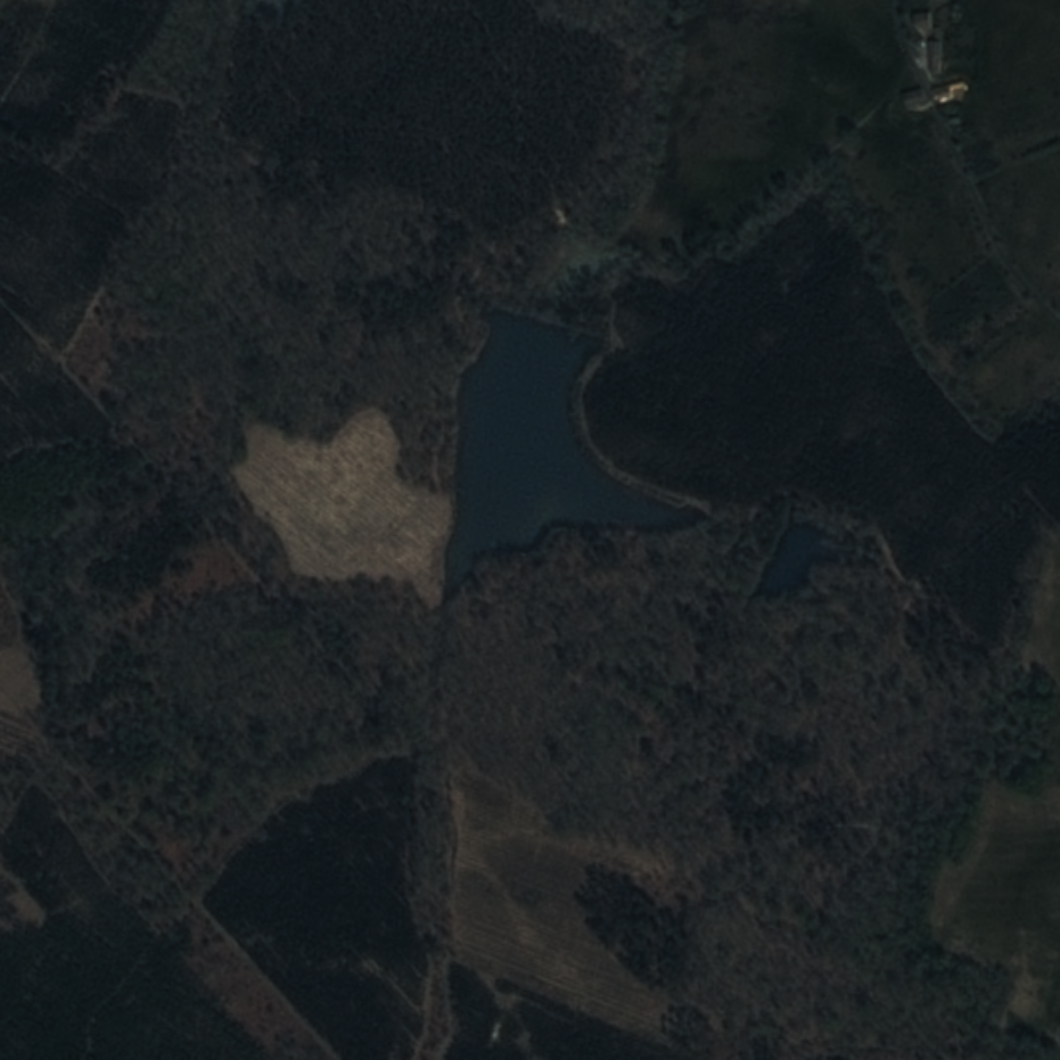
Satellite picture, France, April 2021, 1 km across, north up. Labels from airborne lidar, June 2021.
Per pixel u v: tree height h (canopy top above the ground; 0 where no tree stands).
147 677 20
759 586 18
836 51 0
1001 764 6
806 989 11
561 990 0
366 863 6
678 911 7
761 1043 12
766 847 13
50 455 10
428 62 16
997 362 0
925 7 0
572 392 6
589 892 10
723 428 7
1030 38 0
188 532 11
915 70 0
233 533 14
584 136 19
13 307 9
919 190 0
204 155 18
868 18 0
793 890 18
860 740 9
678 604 13
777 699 11
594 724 19
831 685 11
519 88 18
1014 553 14
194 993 6
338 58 15
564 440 0
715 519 6
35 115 8
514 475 0
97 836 16
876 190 0
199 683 20
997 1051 14
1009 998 15
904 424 8
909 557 8
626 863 0
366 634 16
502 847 0
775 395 10
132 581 12
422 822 16
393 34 16
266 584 11
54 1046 10
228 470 17
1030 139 0
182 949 8
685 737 8
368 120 16
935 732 8
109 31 7
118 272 15
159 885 20
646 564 8
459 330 14
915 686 8
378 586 11
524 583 9
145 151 7
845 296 9
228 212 23
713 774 8
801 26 0
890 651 12
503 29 17
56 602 14
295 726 17
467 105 17
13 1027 10
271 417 15
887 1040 13
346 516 0
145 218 12
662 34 25
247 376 18
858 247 10
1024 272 0
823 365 8
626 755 15
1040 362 0
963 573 13
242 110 17
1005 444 10
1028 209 0
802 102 0
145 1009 8
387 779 10
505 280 16
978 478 10
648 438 8
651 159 27
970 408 9
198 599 11
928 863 12
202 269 20
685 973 22
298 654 18
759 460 9
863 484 10
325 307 14
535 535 0
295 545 0
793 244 7
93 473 11
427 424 12
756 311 11
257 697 14
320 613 19
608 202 27
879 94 0
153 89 21
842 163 9
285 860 9
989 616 13
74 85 7
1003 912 0
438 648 9
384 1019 10
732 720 16
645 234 0
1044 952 0
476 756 17
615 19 22
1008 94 0
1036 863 0
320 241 20
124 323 14
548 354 0
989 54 0
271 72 17
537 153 20
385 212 12
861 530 17
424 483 9
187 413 11
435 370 21
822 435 6
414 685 22
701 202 0
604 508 0
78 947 9
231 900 7
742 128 0
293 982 10
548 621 15
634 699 11
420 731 23
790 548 0
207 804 25
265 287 13
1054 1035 0
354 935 9
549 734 13
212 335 15
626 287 9
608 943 14
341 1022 7
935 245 0
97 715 8
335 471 0
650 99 24
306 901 6
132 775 31
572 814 17
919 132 0
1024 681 17
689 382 10
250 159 11
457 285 21
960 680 8
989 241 8
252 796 22
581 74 19
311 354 11
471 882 0
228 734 18
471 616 10
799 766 18
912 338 11
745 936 14
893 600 13
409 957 8
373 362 14
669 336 9
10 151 10
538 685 12
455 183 16
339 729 17
